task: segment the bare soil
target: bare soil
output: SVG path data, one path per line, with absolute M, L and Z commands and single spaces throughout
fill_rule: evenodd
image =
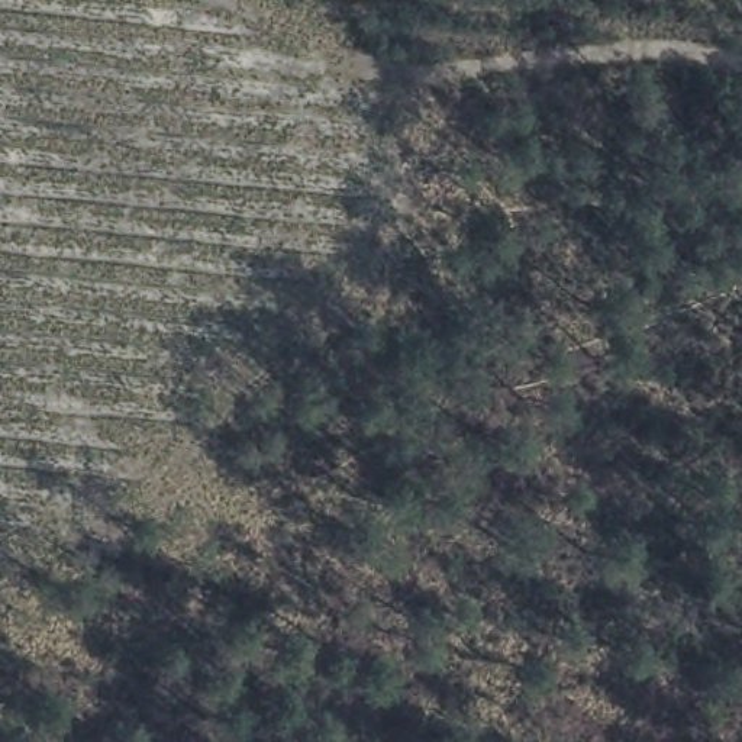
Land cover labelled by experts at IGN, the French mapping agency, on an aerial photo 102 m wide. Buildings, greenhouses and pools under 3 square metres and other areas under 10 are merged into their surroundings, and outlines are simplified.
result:
M 113 464 L 93 461 L 93 470 L 104 478 L 139 481 L 151 467 L 145 458 L 119 458 Z

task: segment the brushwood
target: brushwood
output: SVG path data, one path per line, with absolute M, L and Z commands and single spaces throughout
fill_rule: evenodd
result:
M 594 296 L 606 299 L 609 287 L 629 284 L 635 284 L 635 293 L 641 293 L 646 278 L 646 252 L 617 238 L 614 229 L 603 220 L 609 194 L 620 188 L 620 194 L 629 203 L 643 206 L 655 194 L 658 145 L 672 145 L 678 136 L 699 142 L 704 148 L 710 171 L 728 168 L 730 162 L 742 159 L 742 133 L 730 130 L 730 122 L 719 104 L 719 93 L 701 78 L 701 64 L 681 55 L 643 58 L 658 72 L 667 101 L 667 119 L 655 128 L 643 128 L 635 122 L 629 99 L 612 99 L 606 93 L 606 78 L 597 64 L 568 61 L 557 64 L 554 70 L 516 67 L 536 110 L 533 128 L 539 130 L 542 154 L 583 157 L 585 151 L 597 148 L 603 165 L 588 194 L 588 206 L 577 206 L 568 197 L 568 191 L 545 174 L 522 186 L 528 203 L 528 212 L 519 214 L 516 226 L 507 226 L 501 209 L 487 206 L 475 209 L 467 217 L 467 229 L 461 232 L 461 238 L 470 241 L 470 249 L 522 243 L 522 258 L 513 272 L 507 272 L 499 281 L 487 281 L 472 272 L 467 281 L 475 287 L 478 299 L 490 304 L 501 301 L 507 313 L 525 319 L 530 307 L 542 301 L 551 301 L 557 310 L 568 316 L 588 316 L 588 301 Z
M 461 151 L 455 151 L 452 177 L 470 177 L 478 183 L 484 180 L 496 191 L 501 188 L 507 171 L 516 168 L 516 159 L 510 154 L 499 154 L 478 154 L 470 142 Z
M 510 426 L 519 426 L 522 432 L 525 426 L 536 426 L 539 438 L 551 429 L 548 412 L 525 412 L 519 417 L 510 414 L 507 406 L 522 391 L 516 391 L 513 383 L 496 388 L 490 383 L 490 397 L 475 409 L 475 417 L 470 417 L 464 409 L 455 412 L 452 432 L 461 438 L 472 438 L 481 449 L 490 443 L 510 443 Z
M 678 414 L 672 409 L 652 403 L 638 388 L 629 388 L 626 400 L 612 412 L 614 423 L 626 432 L 649 435 L 649 443 L 664 449 L 661 464 L 667 472 L 675 467 L 681 475 L 707 475 L 707 481 L 699 487 L 699 504 L 687 504 L 675 510 L 681 519 L 678 536 L 704 545 L 710 536 L 722 530 L 742 533 L 742 455 L 733 455 L 733 446 L 725 435 L 716 441 L 704 438 L 704 432 L 710 432 L 719 420 L 719 409 L 693 409 L 690 414 Z
M 710 200 L 704 212 L 722 229 L 742 229 L 742 212 L 736 212 L 736 206 L 728 209 L 719 200 Z
M 597 501 L 603 496 L 626 496 L 629 510 L 641 519 L 661 499 L 655 481 L 643 481 L 638 470 L 626 470 L 623 475 L 614 472 L 594 490 Z
M 658 380 L 670 388 L 681 388 L 684 394 L 733 397 L 742 406 L 742 284 L 730 296 L 696 296 L 687 301 L 681 296 L 681 287 L 690 281 L 690 272 L 696 270 L 699 243 L 687 229 L 687 214 L 681 212 L 681 206 L 670 203 L 664 209 L 664 226 L 675 249 L 675 261 L 661 275 L 661 296 L 652 301 L 658 319 L 655 325 L 643 328 L 646 354 L 652 359 L 649 380 Z

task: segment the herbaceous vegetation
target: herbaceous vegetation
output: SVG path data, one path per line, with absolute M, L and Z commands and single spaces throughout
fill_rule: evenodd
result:
M 513 383 L 516 391 L 522 391 L 507 406 L 510 414 L 519 417 L 525 412 L 548 412 L 551 397 L 542 397 L 542 388 L 548 383 L 545 377 L 530 380 L 528 368 L 507 368 L 487 357 L 484 368 L 490 383 L 496 388 Z
M 385 664 L 397 664 L 403 690 L 400 699 L 388 707 L 371 704 L 362 696 L 351 696 L 345 687 L 330 693 L 307 681 L 307 710 L 319 713 L 322 719 L 336 719 L 351 742 L 736 742 L 736 733 L 728 728 L 722 728 L 713 736 L 704 707 L 713 699 L 713 667 L 722 661 L 730 661 L 733 667 L 742 664 L 742 588 L 736 609 L 730 609 L 739 617 L 739 632 L 730 638 L 710 632 L 701 643 L 684 646 L 670 632 L 670 626 L 658 623 L 658 617 L 646 617 L 641 623 L 643 614 L 655 614 L 661 609 L 667 597 L 710 597 L 716 591 L 704 545 L 678 536 L 681 519 L 675 510 L 687 504 L 681 496 L 661 499 L 641 519 L 629 510 L 626 496 L 603 496 L 597 501 L 588 522 L 574 522 L 565 510 L 542 507 L 542 496 L 551 487 L 542 487 L 533 472 L 516 475 L 507 470 L 490 470 L 484 493 L 470 501 L 470 516 L 455 530 L 417 530 L 409 536 L 412 557 L 403 580 L 383 580 L 371 565 L 357 562 L 357 557 L 333 554 L 330 548 L 348 536 L 348 525 L 336 522 L 339 501 L 354 504 L 359 519 L 368 525 L 374 510 L 391 496 L 394 487 L 400 487 L 400 467 L 388 464 L 388 452 L 400 449 L 403 438 L 388 438 L 385 432 L 362 432 L 362 397 L 374 385 L 397 383 L 403 377 L 397 365 L 397 348 L 406 342 L 397 336 L 394 325 L 385 325 L 385 348 L 351 351 L 351 336 L 359 333 L 359 328 L 351 328 L 345 316 L 333 307 L 319 313 L 328 330 L 328 339 L 322 345 L 301 342 L 293 322 L 284 316 L 275 328 L 278 348 L 270 351 L 261 362 L 261 368 L 270 377 L 281 383 L 281 406 L 272 417 L 255 417 L 246 397 L 235 397 L 232 420 L 212 429 L 203 443 L 197 443 L 188 435 L 174 446 L 165 464 L 151 467 L 139 481 L 104 478 L 93 470 L 93 461 L 81 461 L 81 470 L 67 470 L 70 475 L 58 490 L 43 490 L 35 481 L 0 481 L 0 716 L 6 710 L 20 710 L 26 722 L 38 728 L 38 704 L 43 693 L 49 690 L 67 696 L 78 719 L 72 719 L 70 730 L 58 742 L 113 742 L 113 725 L 119 719 L 133 730 L 145 728 L 148 742 L 217 742 L 220 725 L 200 722 L 197 716 L 206 693 L 223 684 L 223 667 L 217 667 L 206 655 L 209 638 L 203 632 L 203 626 L 217 626 L 220 620 L 255 626 L 264 635 L 264 643 L 275 652 L 287 646 L 287 632 L 293 626 L 307 629 L 307 641 L 316 646 L 313 667 L 319 672 L 328 672 L 336 664 L 339 646 L 362 649 L 357 658 L 357 670 L 368 678 L 380 672 L 380 658 Z M 333 359 L 345 371 L 342 403 L 333 420 L 336 429 L 301 429 L 296 420 L 301 409 L 301 391 L 310 388 L 313 374 L 328 359 Z M 252 487 L 232 487 L 217 472 L 226 464 L 232 464 L 238 452 L 246 452 L 255 443 L 264 443 L 275 435 L 284 435 L 287 441 L 284 461 L 304 475 L 299 481 L 299 493 L 304 493 L 310 504 L 319 507 L 313 522 L 293 522 L 290 516 L 272 513 L 281 496 L 275 484 L 255 481 Z M 496 542 L 490 539 L 513 528 L 513 507 L 525 516 L 539 513 L 542 522 L 559 528 L 554 557 L 536 574 L 528 577 L 501 574 L 487 559 L 496 551 Z M 206 539 L 217 539 L 223 551 L 214 554 L 214 562 L 206 577 L 191 577 L 177 559 L 191 557 L 197 545 L 203 545 Z M 612 591 L 606 585 L 606 568 L 620 568 L 629 557 L 629 548 L 638 539 L 643 539 L 649 551 L 646 574 L 632 594 Z M 122 574 L 122 591 L 104 612 L 99 612 L 84 626 L 72 623 L 67 614 L 58 614 L 52 603 L 38 600 L 35 594 L 49 577 L 81 580 L 90 574 Z M 597 643 L 597 658 L 577 649 L 568 655 L 554 649 L 565 632 L 565 614 L 559 603 L 551 597 L 551 583 L 559 583 L 562 588 L 577 588 L 580 614 Z M 481 614 L 487 620 L 484 632 L 449 635 L 452 646 L 443 670 L 420 672 L 414 667 L 414 655 L 426 649 L 420 643 L 423 632 L 443 614 L 461 617 L 464 603 L 470 597 L 481 606 Z M 641 681 L 626 675 L 623 667 L 606 655 L 606 649 L 620 649 L 623 643 L 635 641 L 646 641 L 661 658 L 672 658 L 675 672 L 661 684 L 655 678 Z M 548 661 L 559 672 L 557 690 L 551 699 L 528 701 L 522 681 L 539 681 L 542 667 Z
M 719 409 L 719 420 L 710 432 L 704 432 L 704 438 L 716 441 L 725 435 L 733 446 L 733 455 L 742 455 L 742 406 L 733 397 L 684 394 L 681 388 L 670 388 L 658 380 L 649 380 L 641 380 L 638 388 L 652 403 L 672 409 L 678 414 L 690 414 L 693 409 Z
M 528 212 L 528 203 L 496 197 L 496 191 L 484 180 L 478 183 L 478 203 L 487 206 L 501 209 L 507 226 L 516 226 L 519 214 Z
M 281 687 L 270 681 L 264 672 L 249 670 L 241 696 L 246 699 L 249 713 L 255 716 L 249 742 L 278 742 L 278 725 L 287 704 Z
M 649 435 L 626 432 L 614 423 L 612 412 L 626 400 L 629 388 L 614 388 L 612 374 L 606 368 L 617 359 L 606 348 L 609 342 L 597 336 L 597 322 L 588 316 L 568 316 L 557 310 L 551 301 L 542 301 L 530 307 L 525 319 L 533 319 L 542 336 L 554 336 L 562 345 L 562 351 L 574 351 L 580 359 L 580 426 L 568 435 L 551 429 L 539 438 L 545 446 L 539 461 L 542 472 L 565 475 L 571 467 L 583 467 L 594 490 L 614 472 L 623 475 L 626 470 L 638 470 L 643 481 L 655 481 L 667 472 L 661 464 L 664 449 L 649 443 Z
M 499 154 L 501 139 L 493 139 L 484 128 L 484 119 L 493 113 L 493 99 L 475 90 L 470 75 L 435 84 L 432 93 L 420 93 L 423 101 L 417 110 L 441 107 L 443 116 L 455 125 L 455 130 L 470 142 L 478 154 Z
M 307 20 L 316 29 L 333 32 L 336 41 L 348 49 L 371 55 L 377 52 L 377 41 L 359 26 L 365 14 L 391 20 L 391 46 L 409 46 L 412 17 L 446 17 L 455 23 L 490 26 L 490 32 L 432 29 L 426 41 L 441 43 L 449 61 L 481 61 L 510 55 L 516 49 L 548 52 L 557 46 L 585 46 L 580 41 L 577 14 L 565 12 L 565 0 L 272 0 L 275 6 L 307 9 Z
M 742 14 L 742 0 L 591 0 L 600 12 L 606 12 L 612 3 L 623 3 L 635 12 L 635 20 L 600 20 L 597 29 L 614 32 L 617 41 L 690 41 L 696 26 L 687 23 L 690 3 L 719 9 L 725 17 Z

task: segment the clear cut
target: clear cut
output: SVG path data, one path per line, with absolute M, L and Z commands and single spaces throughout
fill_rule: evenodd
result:
M 235 397 L 246 397 L 252 394 L 255 383 L 264 383 L 270 377 L 261 368 L 261 362 L 270 351 L 278 348 L 275 328 L 284 316 L 284 307 L 307 307 L 319 313 L 333 307 L 345 316 L 351 328 L 359 328 L 359 322 L 380 325 L 383 316 L 406 310 L 414 316 L 417 328 L 423 325 L 423 316 L 432 313 L 441 313 L 446 319 L 452 313 L 452 272 L 443 264 L 443 246 L 432 241 L 432 229 L 438 223 L 443 226 L 452 249 L 461 243 L 461 238 L 461 232 L 467 229 L 467 217 L 475 209 L 487 206 L 478 203 L 478 183 L 470 177 L 452 177 L 455 151 L 461 151 L 470 142 L 455 130 L 455 125 L 443 116 L 441 107 L 417 110 L 423 101 L 420 93 L 432 93 L 435 84 L 423 81 L 423 75 L 435 64 L 374 64 L 371 55 L 348 49 L 336 41 L 333 32 L 316 29 L 307 20 L 307 9 L 275 6 L 272 0 L 0 0 L 0 481 L 35 481 L 43 490 L 58 490 L 70 475 L 67 470 L 81 470 L 81 461 L 93 461 L 113 464 L 119 458 L 145 458 L 151 467 L 165 464 L 174 446 L 188 435 L 197 443 L 203 443 L 212 429 L 232 420 Z

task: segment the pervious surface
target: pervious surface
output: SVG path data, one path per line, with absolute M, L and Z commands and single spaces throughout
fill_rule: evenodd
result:
M 481 61 L 449 61 L 435 64 L 423 75 L 423 81 L 435 84 L 470 75 L 516 67 L 554 70 L 557 64 L 568 61 L 597 64 L 643 58 L 681 55 L 701 64 L 710 61 L 716 72 L 742 75 L 742 52 L 733 55 L 690 41 L 617 41 L 585 46 L 557 46 L 548 52 L 516 49 L 510 55 Z

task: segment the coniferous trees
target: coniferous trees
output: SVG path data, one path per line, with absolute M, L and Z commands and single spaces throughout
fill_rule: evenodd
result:
M 0 716 L 0 742 L 58 742 L 70 730 L 72 719 L 78 719 L 67 696 L 49 690 L 43 693 L 38 704 L 38 728 L 26 722 L 20 710 L 6 710 Z
M 701 643 L 710 632 L 730 638 L 739 632 L 739 617 L 730 609 L 736 609 L 742 588 L 742 533 L 722 530 L 710 536 L 704 545 L 716 591 L 710 597 L 667 597 L 661 609 L 655 614 L 643 614 L 641 623 L 646 617 L 658 617 L 658 623 L 670 626 L 670 632 L 684 646 Z
M 217 667 L 223 667 L 223 684 L 206 693 L 197 716 L 200 722 L 220 725 L 217 742 L 249 742 L 255 716 L 249 713 L 246 699 L 241 696 L 249 670 L 264 672 L 270 681 L 281 687 L 287 704 L 278 725 L 278 742 L 351 742 L 336 719 L 322 719 L 319 713 L 307 710 L 307 681 L 330 693 L 345 687 L 351 696 L 362 696 L 371 704 L 388 707 L 400 699 L 403 690 L 397 664 L 385 664 L 380 658 L 380 672 L 368 678 L 357 670 L 357 658 L 362 649 L 339 646 L 336 664 L 328 672 L 319 672 L 313 667 L 316 646 L 307 641 L 307 629 L 293 626 L 287 632 L 287 646 L 275 652 L 264 643 L 264 635 L 255 626 L 220 620 L 217 626 L 203 626 L 203 632 L 209 638 L 206 655 Z
M 145 728 L 133 730 L 119 719 L 113 725 L 113 742 L 148 742 Z
M 539 438 L 536 426 L 525 426 L 522 432 L 519 426 L 510 426 L 510 443 L 490 443 L 481 449 L 472 438 L 461 438 L 452 432 L 455 412 L 464 409 L 470 417 L 475 417 L 475 409 L 490 397 L 490 383 L 484 368 L 487 357 L 507 368 L 528 368 L 530 380 L 545 377 L 548 383 L 542 388 L 542 397 L 551 397 L 548 412 L 551 429 L 568 435 L 580 426 L 580 359 L 574 351 L 562 351 L 562 345 L 554 336 L 542 336 L 533 319 L 525 319 L 507 313 L 501 301 L 490 304 L 478 299 L 475 287 L 467 281 L 472 272 L 487 281 L 499 281 L 507 272 L 513 272 L 522 258 L 522 243 L 470 249 L 470 241 L 461 238 L 461 243 L 452 249 L 443 226 L 438 223 L 432 229 L 432 241 L 443 246 L 443 264 L 452 272 L 452 313 L 446 319 L 441 313 L 432 313 L 423 316 L 423 325 L 417 328 L 414 316 L 406 310 L 383 316 L 380 325 L 359 322 L 359 328 L 359 333 L 351 336 L 351 351 L 385 348 L 385 325 L 394 325 L 397 336 L 406 342 L 397 348 L 397 365 L 403 377 L 397 383 L 374 385 L 362 397 L 362 432 L 385 432 L 388 438 L 403 438 L 400 449 L 388 452 L 388 464 L 400 467 L 400 487 L 394 487 L 391 496 L 374 510 L 368 525 L 359 519 L 354 504 L 339 501 L 336 522 L 348 525 L 348 536 L 330 548 L 333 554 L 357 557 L 357 562 L 371 565 L 383 580 L 403 580 L 412 557 L 409 536 L 417 530 L 455 530 L 470 516 L 470 501 L 484 493 L 490 470 L 507 470 L 516 475 L 533 472 L 542 487 L 551 487 L 542 496 L 542 507 L 565 510 L 574 522 L 588 522 L 597 501 L 594 490 L 583 467 L 571 467 L 565 475 L 542 472 L 539 461 L 545 446 Z
M 675 467 L 667 472 L 655 481 L 661 499 L 681 496 L 687 504 L 699 504 L 699 487 L 707 481 L 707 475 L 681 475 Z
M 226 464 L 217 472 L 232 487 L 252 487 L 255 481 L 275 484 L 281 496 L 272 513 L 290 516 L 293 522 L 313 522 L 319 507 L 310 504 L 304 493 L 299 493 L 299 481 L 304 475 L 284 461 L 287 441 L 284 435 L 275 435 L 264 443 L 255 443 L 246 452 L 238 452 L 232 464 Z
M 577 649 L 597 658 L 597 643 L 580 614 L 577 588 L 562 588 L 559 583 L 551 583 L 551 597 L 559 603 L 565 614 L 565 632 L 554 649 L 568 655 Z
M 713 667 L 713 699 L 704 707 L 713 736 L 722 728 L 728 728 L 736 733 L 736 742 L 742 742 L 742 664 L 733 667 L 730 661 L 722 661 Z
M 255 383 L 252 394 L 246 397 L 255 417 L 272 417 L 281 406 L 281 383 L 270 377 L 264 383 Z
M 730 130 L 742 133 L 742 75 L 716 72 L 710 61 L 701 64 L 701 78 L 719 93 L 719 104 L 730 122 Z
M 545 174 L 568 191 L 568 197 L 577 206 L 588 206 L 588 194 L 603 165 L 597 148 L 585 151 L 583 157 L 542 154 L 539 130 L 533 128 L 536 110 L 516 67 L 470 75 L 475 90 L 493 99 L 493 113 L 484 119 L 484 128 L 493 139 L 501 139 L 499 154 L 510 154 L 516 159 L 516 168 L 507 171 L 501 188 L 496 191 L 496 197 L 528 203 L 522 186 Z
M 177 559 L 191 577 L 206 577 L 214 562 L 214 554 L 223 551 L 217 539 L 206 539 L 203 545 L 197 545 L 191 557 Z
M 690 3 L 687 23 L 696 26 L 690 41 L 733 55 L 742 52 L 742 14 L 725 17 L 719 9 Z
M 49 577 L 35 594 L 38 600 L 52 603 L 58 614 L 67 614 L 72 623 L 84 626 L 99 612 L 104 612 L 122 591 L 122 574 L 90 574 L 81 580 Z
M 606 568 L 606 585 L 612 591 L 632 594 L 646 574 L 649 551 L 643 539 L 638 539 L 629 548 L 629 557 L 620 568 Z
M 612 99 L 629 99 L 635 122 L 643 128 L 655 128 L 667 119 L 667 101 L 658 72 L 643 58 L 597 64 L 606 78 L 606 93 Z
M 539 681 L 522 681 L 528 701 L 551 699 L 557 690 L 559 672 L 548 661 L 542 667 Z
M 641 293 L 635 293 L 635 284 L 629 284 L 609 287 L 606 299 L 594 296 L 588 301 L 588 316 L 597 322 L 597 336 L 609 342 L 606 348 L 617 359 L 606 368 L 612 374 L 614 388 L 629 388 L 638 388 L 641 380 L 649 380 L 652 359 L 646 354 L 643 328 L 655 325 L 658 319 L 652 301 L 661 296 L 661 275 L 675 261 L 675 249 L 664 226 L 664 209 L 670 203 L 681 206 L 681 212 L 687 214 L 687 229 L 699 243 L 696 270 L 690 272 L 690 281 L 681 287 L 681 296 L 687 301 L 696 296 L 730 296 L 742 284 L 742 229 L 722 229 L 704 212 L 710 200 L 719 200 L 728 209 L 736 206 L 736 212 L 742 212 L 742 159 L 730 162 L 728 168 L 710 171 L 704 148 L 699 142 L 678 136 L 672 145 L 658 145 L 655 194 L 643 206 L 629 203 L 620 194 L 620 188 L 609 194 L 603 220 L 614 229 L 617 238 L 646 252 L 646 278 Z
M 528 577 L 536 574 L 554 557 L 559 528 L 542 522 L 539 513 L 525 516 L 513 507 L 513 528 L 490 539 L 496 542 L 496 551 L 487 559 L 501 574 Z
M 328 359 L 313 374 L 310 388 L 301 391 L 301 409 L 296 420 L 301 429 L 336 429 L 333 420 L 342 403 L 345 371 L 333 359 Z
M 600 20 L 635 20 L 635 12 L 623 3 L 612 3 L 606 12 L 600 12 L 591 0 L 565 0 L 565 12 L 577 14 L 580 41 L 585 46 L 617 41 L 614 32 L 597 29 Z
M 490 32 L 490 26 L 455 23 L 446 17 L 412 17 L 409 46 L 391 46 L 391 20 L 365 14 L 359 26 L 377 41 L 377 52 L 371 55 L 374 64 L 435 64 L 449 61 L 441 43 L 426 41 L 432 29 Z
M 606 649 L 606 655 L 623 667 L 626 675 L 641 681 L 655 678 L 661 684 L 675 672 L 672 658 L 661 658 L 646 641 L 635 641 L 623 643 L 620 649 Z
M 420 672 L 443 670 L 452 646 L 449 635 L 484 632 L 487 620 L 481 614 L 481 606 L 470 597 L 464 603 L 461 617 L 443 614 L 423 632 L 420 643 L 426 649 L 414 655 L 414 667 Z
M 307 307 L 284 307 L 284 316 L 293 322 L 301 342 L 322 345 L 328 339 L 328 330 L 319 313 Z

